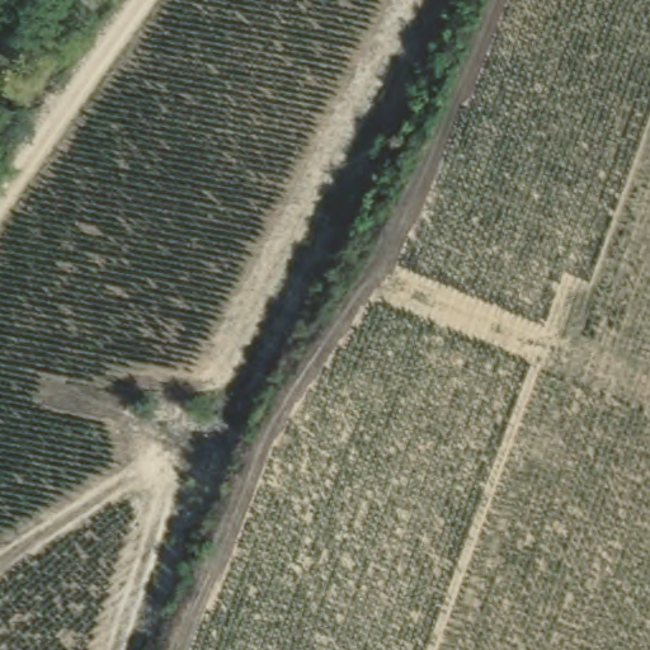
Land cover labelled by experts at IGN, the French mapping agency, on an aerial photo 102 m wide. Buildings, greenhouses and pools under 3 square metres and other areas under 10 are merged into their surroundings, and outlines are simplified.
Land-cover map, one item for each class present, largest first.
<instances>
[{"label":"vineyard","instance_id":"1","mask_svg":"<svg viewBox=\"0 0 650 650\"><path fill-rule=\"evenodd\" d=\"M381 0H157L142 20V25L129 38V43L117 53L107 74L99 79L89 99L81 104L69 129L58 137L51 155L38 168V173L33 175V180L28 183V188L15 201L13 211L0 226V533L18 528V523L33 518L46 508L71 500V495L86 485L89 477L104 475L112 465V439L102 421L56 414L41 409L33 401L41 373L66 378H94L102 376L109 366H127L129 361L160 368L196 363L201 353V340L211 338L216 322H221L223 305L229 302L236 282L244 274L246 259H251V254L246 251L249 241H256L262 236L264 218L282 198L289 170L297 160L305 157L307 142L317 129L315 119L325 112V104L330 99H335L340 89L338 79L345 74V66L353 58L361 36L368 30L371 18L378 13ZM429 137L419 150L421 163L414 178L404 180L399 201L391 203V218L381 231L378 241L373 244V254L366 259V269L358 274V284L350 289L348 302L335 310L330 328L310 348L307 361L300 366L297 376L282 391L272 411V419L256 434V442L246 462V472L234 475L231 482L221 485V500H226V510L218 521L213 541L203 546V559L196 566V594L183 607L165 650H650V0H485L482 15L475 23L472 46L462 58L460 69L454 71V76L442 86L437 96V114L427 122ZM135 515L127 500L107 505L96 515H91L89 523L56 538L41 554L28 556L0 579V650H89L96 630V617L109 597V581Z\"/></svg>","mask_w":650,"mask_h":650},{"label":"brushwood","instance_id":"2","mask_svg":"<svg viewBox=\"0 0 650 650\"><path fill-rule=\"evenodd\" d=\"M485 0H421L414 8V18L401 28V48L391 56L371 109L355 117V132L350 145L345 147V160L333 170V180L320 185V198L307 221V234L302 241L292 246L282 287L267 302L256 335L244 348V361L236 368L234 378L226 383V388L223 419L226 424L218 432H193L188 449L178 460V493L173 515L168 518V528L157 551V564L147 581L142 612L137 617L135 632L129 635L127 650H165L183 607L196 594V566L203 559V546L213 541L218 521L226 510V500H221V485L231 482L234 475L246 472V462L256 442V434L272 419V411L282 391L297 376L300 366L307 361L310 348L330 328L335 310L348 302L350 289L358 284V274L366 269V259L373 254V244L378 241L381 231L391 218V203L399 201L404 180L414 178L421 163L419 150L429 137L427 122L437 114V96L442 86L454 76V71L460 69L462 58L472 46L475 23L482 15Z\"/></svg>","mask_w":650,"mask_h":650},{"label":"herbaceous vegetation","instance_id":"3","mask_svg":"<svg viewBox=\"0 0 650 650\"><path fill-rule=\"evenodd\" d=\"M421 0H381L378 13L371 18L368 30L361 36L353 58L345 66V74L338 79L340 89L335 99H330L325 104V112L315 119L317 129L307 142L305 157L297 160L289 170L282 198L264 218L262 236L256 241H249L246 251L251 254V259H246L244 274L236 282L229 302L223 305L221 322H216L211 338L201 340V353L196 363L160 368L129 361L127 366H109L102 376L94 378H66L41 373L33 401L41 409L56 414L102 421L112 439V465L104 475L89 477L86 485L71 495V500L46 508L33 518L18 523V528L0 533V579L28 556L41 554L56 538L89 523L91 515H96L107 505L127 500L135 515L109 581V597L96 617V630L89 650H127L129 635L135 632L137 617L142 612L147 581L157 564V551L168 528V518L173 515L178 493V460L188 449L193 432H218L226 424L223 419H193L188 411H183V406L193 401L198 391L226 388V383L234 378L236 368L244 361V348L256 335L267 302L282 287L292 246L302 241L307 234V221L320 198V185L333 180V170L345 160V147L350 145L355 132V117L371 109L391 56L401 48V28L414 18V8Z\"/></svg>","mask_w":650,"mask_h":650},{"label":"deciduous trees","instance_id":"4","mask_svg":"<svg viewBox=\"0 0 650 650\"><path fill-rule=\"evenodd\" d=\"M127 0H0V190L5 180L15 178V152L20 145L33 140L38 112L43 109L46 99L66 89L81 58L94 48L96 36L104 30L107 20ZM226 388L198 391L193 401L183 406V411H188L193 419H223Z\"/></svg>","mask_w":650,"mask_h":650},{"label":"pervious surface","instance_id":"5","mask_svg":"<svg viewBox=\"0 0 650 650\"><path fill-rule=\"evenodd\" d=\"M157 0H127L107 20L104 30L96 36L94 48L81 58L66 89L46 99L43 109L38 112L33 140L20 145L15 152V178L5 180L0 190V226L13 211L15 201L28 188V183L33 180V175L38 173V168L51 155L58 137L69 129L81 104L89 99L99 79L107 74L117 53L129 43V38L142 25V20Z\"/></svg>","mask_w":650,"mask_h":650}]
</instances>
